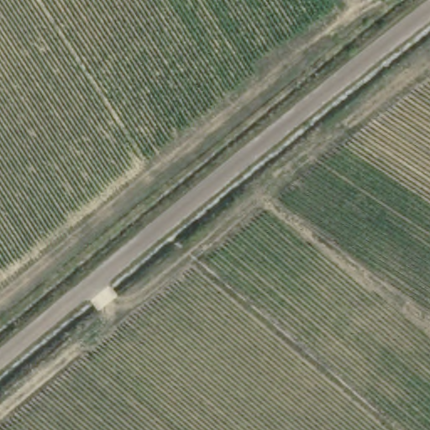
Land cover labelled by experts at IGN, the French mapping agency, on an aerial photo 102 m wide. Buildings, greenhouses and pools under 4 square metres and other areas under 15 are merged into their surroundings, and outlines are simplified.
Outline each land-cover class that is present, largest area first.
<instances>
[{"label":"vineyard","instance_id":"1","mask_svg":"<svg viewBox=\"0 0 430 430\"><path fill-rule=\"evenodd\" d=\"M393 7L390 0H0V309L7 306L18 292L34 286L37 277L45 269H49L50 265L66 259L67 252L81 240V225L77 222H81L87 213H91L89 222L96 228L106 218L113 217L114 203L126 198V190L121 185L128 183L134 188L144 181L149 185L158 171L166 170L173 161L195 151L208 134L220 128L252 97H257L260 92L269 89L277 81L282 69L275 64L262 77V81H259L255 74H259L257 66L260 60L274 54L275 50L281 49L287 42L296 40L299 35L306 34L309 29L314 34V37H311L312 42L317 44L322 37L333 35L338 27L353 22L354 18L363 17L364 13L370 10H376L383 15ZM344 119H333L326 126L316 129L306 139V143L296 146L281 161H277L272 170L265 171L259 180L252 183V195H244L235 200L233 207L225 210L215 222L207 225L205 230H198L188 242H178L173 254L165 259L163 264H156L148 277L136 282L128 292L116 294L114 301L102 309H97L94 316L81 322L76 331L67 334L64 338L66 343L60 348L62 349L69 348L71 344L79 341L82 353L71 359L67 366L57 371L49 381H45L44 385L37 388L27 400L15 406L0 422V430H430V42L423 45L422 49H418L410 59L405 60L398 69V74L383 77L361 99L346 107L343 111Z\"/></svg>","mask_w":430,"mask_h":430},{"label":"herbaceous vegetation","instance_id":"2","mask_svg":"<svg viewBox=\"0 0 430 430\"><path fill-rule=\"evenodd\" d=\"M393 7L383 15L376 10H370L364 13L363 17L354 18L353 22L338 27L333 35L322 37L317 44L312 42L311 37H314V34L309 29L306 34L299 35L296 40L287 42L281 49L275 50L274 54L260 60L257 66L259 74H255L259 81H262V77L275 64L282 69L277 81L269 89L260 92L257 97H252L220 128L208 134L195 151L173 161L166 170L158 171L149 185L144 181L134 188L128 183L121 185L126 190V198L114 203L113 217L106 218L96 228L89 222L91 213H87L81 222H77L81 225V240L67 252L66 259L50 265L49 269H45L37 277L34 286L18 292L7 306L0 309V346L12 338L13 333L24 329L52 302L64 296L77 282L91 274L102 260H106L129 239H133L141 228L153 222L166 208L171 207V203L185 195L191 186L197 185L198 181L210 175L218 165H222L233 153H237L260 131H264L272 121L281 118L282 114L289 111L314 87L319 86L326 77L338 71L339 67L351 59L353 50H361L364 45L370 44L371 40L380 35L385 25L391 27L400 22L401 18L417 8L422 0H390ZM430 42V32L423 35L418 42H413L412 39L403 40L396 49L383 55L375 66H371L359 76L358 81L351 82L331 101L319 107L316 113H312L306 121L294 126L284 138L267 149L264 155L245 166L239 176H235L222 191H218L217 195H212L197 210H193L190 217L183 220L181 225L166 232L146 252L139 255L138 259H134L128 267L114 275L109 287L116 294L128 292L136 282L148 277L156 264H163L165 259L173 254L178 242H188L198 230H205L207 225L215 222L225 210L233 207L235 200L244 195H252V183L259 180L265 171L272 170L277 161H281L296 146L306 143V139L316 129L326 126L333 119H344L343 111L346 107L361 99L383 77L398 74V69L405 60L410 59L418 49H422L423 45ZM97 309L91 301L79 302L67 316L55 322L44 334H40L34 343H30L17 358H13L8 366L0 370V403L24 385V378H27L35 368L57 358L62 349L60 348L66 343L64 338L67 334L76 331L81 322L94 316Z\"/></svg>","mask_w":430,"mask_h":430},{"label":"impervious surface","instance_id":"3","mask_svg":"<svg viewBox=\"0 0 430 430\"><path fill-rule=\"evenodd\" d=\"M430 32V0H422L417 8L401 18L400 22L391 27L385 25L380 35L371 40L370 44L364 45L361 50H353L351 59L339 67L338 71L326 77L319 86L314 87L289 111L282 114L281 118L272 121L264 131H260L237 153H233L222 165H218L210 175L198 181L197 185L191 186L185 195L171 203V207L166 208L153 222L141 228L133 239H129L106 260H102L91 274L77 282L64 296L52 302L24 329L13 333L12 338L0 346V370L8 366L13 358H17L30 343H34L40 334H44L55 322L67 316L79 302L91 301L97 309H102L114 301L116 294L109 287L114 275L128 267L134 259H138L139 255L146 252L166 232L181 225L183 220L190 217L193 210H197L212 195H217L218 191H222L235 176H239L245 166L264 155L267 149L284 138L294 126L306 121L312 113H316L319 107L331 101L351 82L358 81L359 76L371 66H375L383 55L396 49L403 40L412 39L413 42H418L423 35Z\"/></svg>","mask_w":430,"mask_h":430},{"label":"pervious surface","instance_id":"4","mask_svg":"<svg viewBox=\"0 0 430 430\"><path fill-rule=\"evenodd\" d=\"M82 353L79 341L71 344L69 348L62 349L57 358L35 368L27 378H24V385L0 403V422L15 406L27 400L37 388L44 385L45 381H49L57 371L67 366L71 359Z\"/></svg>","mask_w":430,"mask_h":430}]
</instances>
